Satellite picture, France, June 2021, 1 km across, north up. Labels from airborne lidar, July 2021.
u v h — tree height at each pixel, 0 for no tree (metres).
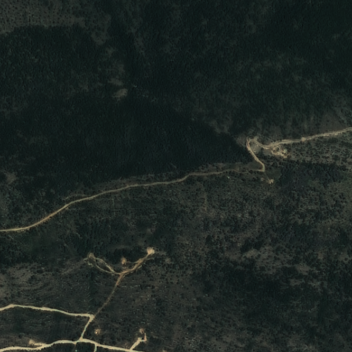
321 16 8
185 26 9
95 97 6
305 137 0
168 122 7
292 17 10
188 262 8
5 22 7
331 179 17
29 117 6
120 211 8
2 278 0
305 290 7
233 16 6
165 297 0
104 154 8
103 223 9
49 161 7
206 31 6
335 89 6
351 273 6
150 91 6
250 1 5
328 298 6
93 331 0
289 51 7
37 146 6
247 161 8
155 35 9
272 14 7
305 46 7
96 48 7
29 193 6
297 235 12
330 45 7
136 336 0
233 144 6
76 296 0
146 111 6
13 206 9
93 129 8
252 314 5
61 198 6
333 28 7
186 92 6
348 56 7
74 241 10
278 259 7
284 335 6
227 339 0
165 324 0
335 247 7
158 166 7
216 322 8
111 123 8
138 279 0
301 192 6
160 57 6
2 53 7
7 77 7
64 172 8
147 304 0
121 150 11
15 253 13
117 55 7
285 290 7
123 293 0
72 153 6
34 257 9
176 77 6
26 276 0
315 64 6
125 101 9
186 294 0
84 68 8
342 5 8
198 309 6
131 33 6
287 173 8
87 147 12
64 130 7
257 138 0
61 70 6
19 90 6
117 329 5
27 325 0
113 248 0
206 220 6
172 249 6
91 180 6
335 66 6
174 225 9
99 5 8
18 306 0
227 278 7
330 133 0
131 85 6
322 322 6
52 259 0
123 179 7
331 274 7
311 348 0
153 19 8
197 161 7
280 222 7
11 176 0
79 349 6
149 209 7
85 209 6
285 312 8
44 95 7
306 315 8
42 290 0
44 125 8
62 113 6
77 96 7
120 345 0
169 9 5
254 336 7
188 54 7
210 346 0
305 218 8
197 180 7
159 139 10
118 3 8
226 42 7
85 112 6
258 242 7
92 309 0
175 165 7
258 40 7
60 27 6
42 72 10
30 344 0
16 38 6
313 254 11
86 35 7
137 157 8
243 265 7
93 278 7
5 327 0
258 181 9
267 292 5
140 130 8
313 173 8
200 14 6
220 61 8
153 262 6
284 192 7
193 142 6
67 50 8
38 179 6
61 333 0
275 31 11
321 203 9
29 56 8
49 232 0
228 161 9
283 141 0
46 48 8
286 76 6
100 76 7
